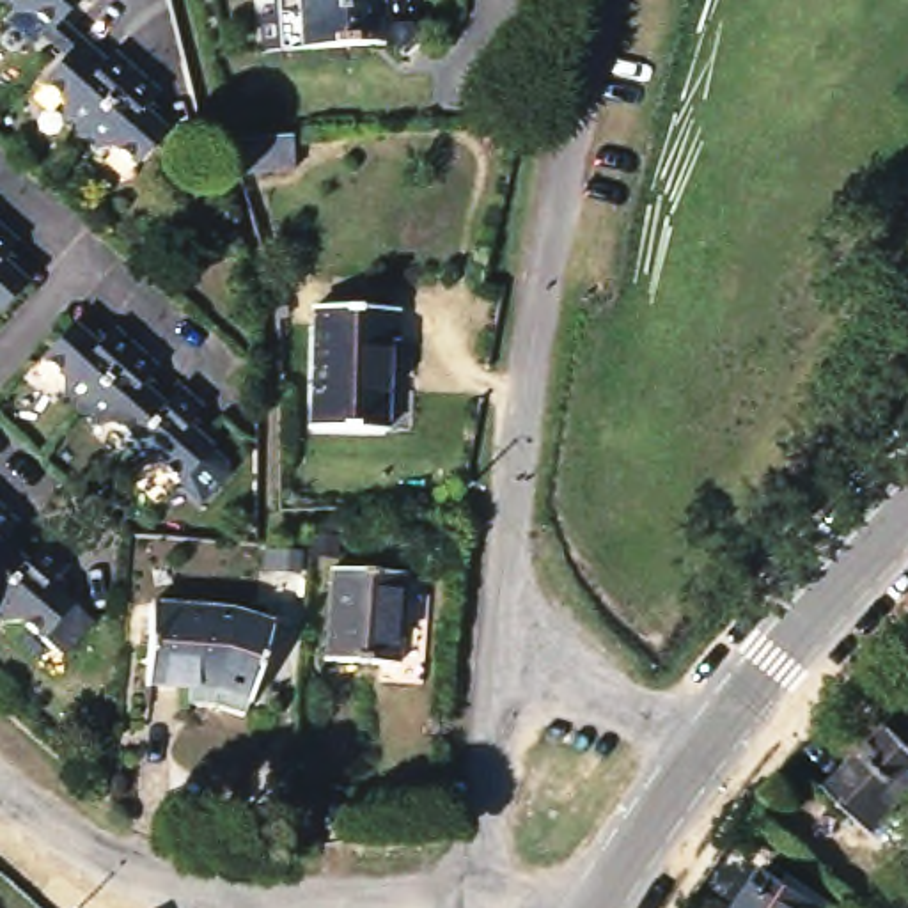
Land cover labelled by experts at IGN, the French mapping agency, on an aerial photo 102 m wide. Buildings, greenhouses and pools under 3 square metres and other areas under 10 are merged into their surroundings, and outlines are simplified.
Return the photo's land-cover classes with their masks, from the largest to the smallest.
<instances>
[{"label":"herbaceous vegetation","instance_id":"1","mask_svg":"<svg viewBox=\"0 0 908 908\"><path fill-rule=\"evenodd\" d=\"M7 0H0V82L18 78L32 92L50 57L46 50L25 46L7 32ZM206 4L213 0H174L202 124L220 128L234 142L238 163L255 167L259 163L284 131L312 145L348 131L355 149H348L341 160H330L312 177H301V184L262 192L266 213L280 220L294 216L301 206H312L319 213L323 248L312 277L323 280V287L330 291L326 298L394 305L415 301L422 287L411 277L415 255H468L472 262H489L493 227L482 223V209L468 199L475 160L461 145H454L450 170L440 181H429L422 188L404 184V153L429 149L436 135L433 128H301L298 106H436L429 74H394L380 64V53L372 46L284 53L280 39L259 43V50L231 60V71L238 74L220 85L206 39L209 28H220V18L206 14ZM670 64L663 74L642 82V99L631 103L638 121H646L653 131V153L660 156V167L638 160L628 181V199L614 202L610 209L617 241L607 287L599 291L592 284H571L564 291L557 337L550 351L543 443L560 436V472L553 497L557 518L564 525L571 557L578 560L582 575L599 592L607 610L649 646H663L670 638L674 624L681 621V585L692 575L706 571L709 560L706 550L692 546L685 536L688 504L699 497V486L716 482L720 489H727L734 500V518H745L748 511L766 507L763 479L770 468H791V458L809 447L819 426H837L844 419L841 401L809 397V380L837 344L841 326L830 312L819 309L816 294H805L798 287L795 248L802 231L812 227L816 213H823L837 195L841 202L873 206L876 220L883 223V238L901 255H908V0H670V28L660 43ZM415 46H422L429 57H443L454 43L447 39V28L440 21H422ZM135 192L138 209L160 213H177V206L153 177L149 163H138L128 184ZM245 248L231 245L227 255L213 262L199 284L213 305H220V291L241 266ZM32 369L18 365L0 390V433L21 454H28L50 482H57L46 504L35 511L39 521L74 514L78 493L74 482L64 479V472L67 465H85L99 443L96 436H92V429L85 426L78 397L64 390L32 426L18 415V408L35 397L28 383ZM408 411H415V426L404 433L312 436L301 461V479L316 489L433 486L436 500L461 497L465 482L458 479V472L475 433L472 394L419 390L415 401L404 404ZM259 454L252 450L245 458L206 511H195L188 504H167V525H181V536L138 532L135 571L142 578L135 582V603L156 607L160 592H167L181 599H227L255 607L259 596L270 589L259 578L262 553L270 546L266 543H213L216 528L209 525L227 511V504L234 497L255 493ZM532 568L543 596L557 599L582 624L596 628L592 610L582 603L571 575L560 564V553L553 550V539L546 536V525L532 518ZM0 674L11 677L21 702L50 706L57 720H64L82 692H99L103 699L124 706L131 646V617H103L82 638L78 649L64 653V674L32 677V667L0 656ZM380 741L372 734H362L351 720H333L319 727L291 724L245 731V716L206 713L192 706L188 688H181L177 713L163 724L167 755L188 770V780L177 791L188 798L192 812L223 809L262 812L280 819L287 826L291 851L309 855L305 876H404L433 869L450 851V844H358L341 841L333 834L326 837V823L337 809H365L380 791H440L447 802L461 809L465 823L479 830L482 816L500 812L514 795V780L507 755L497 745L468 738V713L450 716L433 720L429 685L422 681H376ZM0 755H7L28 780L50 791L64 787L57 748L43 741L21 716H0ZM596 830L585 819H578L564 802L557 805V819L536 812L532 819H521L514 826V851L525 865H560ZM777 826L798 837L809 848V858H773L770 865L784 883L780 908H908V809L887 816L880 830H897V844H887L880 851L858 848L848 855L816 826L809 812H777Z\"/></svg>","mask_w":908,"mask_h":908},{"label":"impervious surface","instance_id":"2","mask_svg":"<svg viewBox=\"0 0 908 908\"><path fill-rule=\"evenodd\" d=\"M82 11L92 21V35L121 43L135 39L156 60L174 67L181 89L174 99V128L202 124L174 0H82ZM514 14V0H475L472 25L454 43L443 57H429L422 46H415L401 50L387 46V39H376L372 46L380 53V64L394 74H429L436 106L443 110L458 106L468 67L493 39V32ZM599 149L596 131L585 124L568 145L536 156L528 167H521L507 227L514 326L504 344V362L497 369H504L514 383L511 436L504 443L493 440L489 394H472L475 433L458 472V479L465 482L461 497L465 514L475 525V543L465 571L450 716L468 713V738L497 745L507 755L514 780L528 791H536L546 780V763H525V752L546 724H553L560 734H568L571 724H582V738L596 755H614L617 741H624L638 755V770L631 784L621 791V802L599 819L596 830L560 865H525L514 851V826L500 812L482 816L479 830L472 841L450 844V851L433 869L404 876H305L298 883L252 887L181 876L170 858H160L149 844L156 809L142 802L138 819H128L103 795L74 802L64 787L50 791L28 780L7 755H0V908H681L713 862L748 869L770 865L773 858L770 851L713 848L709 830L724 805L745 791L748 780L777 773L787 784L791 798L809 805V812L816 826L848 855L858 848L880 851L887 844H897V830H880L862 826L858 819H830L823 802H812L823 784V770L798 752V745L809 738L823 677L837 674V660L855 656V624L873 631L880 617L890 614L894 599L908 614V486H890L887 500L865 511V521L844 536V550L819 564V582H809L791 596H766V617L759 624L752 617H731L724 621V631H716L695 649V663L685 670L681 681H674L670 688H649L624 674L628 653L617 642H607V635L596 628L582 624L557 599L543 596L532 568V518L539 482L536 465L543 443L550 351L557 337L564 291L582 202L592 195L585 177V156ZM0 195L32 223L35 245L50 259L46 284L35 291H11L7 309H0V390L18 365L32 369L28 383L35 397L18 408V415L32 426L64 390L60 365L43 362H28L32 344L53 330V323L71 301H103L114 312L138 316L156 337L170 344L177 372L202 376L216 387L220 408L238 404L245 358L220 333H184V298H167L156 284L135 280L128 270V252L114 227H85L82 216H74L28 177L14 174L0 156ZM284 415L270 408L266 415L270 479L266 497L255 493L234 497L227 504L245 511L248 525L259 528L262 543H266V518L284 521V514H294L298 507V497L284 489ZM92 436H96L99 443H106V447H114V450H124V447H128V436H131V433H128V426H121V422H99V426H92ZM0 479H7L35 511L46 504L57 482H50L28 454H21L0 433ZM170 482H177V472L160 465L149 468L138 479V500H160ZM121 553V532L114 528L96 539V550H85L78 557L89 578V599L103 607L106 585L99 582V564H110L117 575ZM131 646H145V663H156L160 649L156 607L135 603L131 617ZM429 635V624L422 617L411 631V649L401 660H383L372 653L323 656V663H337L344 674L376 681H422ZM301 646H294L287 660L270 653L266 677L252 706L270 702L284 681H298Z\"/></svg>","mask_w":908,"mask_h":908},{"label":"building","instance_id":"3","mask_svg":"<svg viewBox=\"0 0 908 908\"><path fill-rule=\"evenodd\" d=\"M7 32L25 46L46 50L50 57L32 92L28 103L43 135L74 131L89 138L92 156L114 167L117 177L128 184L138 163H149L156 149L153 142H163L174 128V99L181 89L174 67L156 60L135 39L121 43L92 35V21L82 11V0H7ZM259 43L280 39L284 53L372 46L376 39H387V46L401 50L415 46L422 21L415 18V0H255ZM312 145L284 131L259 163L262 170L287 174L298 160L309 156ZM50 259L35 245L32 223L0 195V309H7L11 291H35L46 284ZM305 422L312 436L404 433L415 426V411H408L404 404L415 401L419 390L411 383L422 362V319L415 312V301L394 305L326 298L319 301L316 319L301 326ZM43 362L60 365L64 390L78 397L85 426L92 429V426H99V422H121V426H128V433H131V436H128V447H124V450H135L149 468L160 465L177 472V482H170L160 500L167 504H188L195 511H206L245 458L238 454L234 440L216 426L220 408L216 387L202 376L177 372L170 344L156 337L138 316L114 312L103 301H85L82 319H74L67 337L57 348H50ZM103 617V607L89 599V578L78 557L60 543H50L39 521L35 511L7 479H0V656L32 667V677L64 674V653L78 649L82 638ZM323 592H309L305 575L291 568V550L270 546L262 553L259 578L270 589L259 596L255 607L227 599H181L167 592H160L156 607L160 649L156 663H145V688H156L153 713L163 724L177 713L181 688H188L192 706L206 713L245 716L252 706L266 677L270 653L287 660L294 646L301 628L323 624V656L372 653L383 660H401L411 649V631L422 617V599L433 596V585H426L408 564L369 568L326 557L319 560ZM798 752L823 770V784L812 802H823L830 819H858L862 826L880 830L887 816L908 809V713H894L887 727H873L862 741L848 748L844 759L830 755L809 738L798 745ZM784 883L770 865L748 869L713 862L681 908H780Z\"/></svg>","mask_w":908,"mask_h":908},{"label":"brushwood","instance_id":"4","mask_svg":"<svg viewBox=\"0 0 908 908\"><path fill-rule=\"evenodd\" d=\"M206 14L220 18V28H209L206 39L220 85L238 74L231 71V60L259 50V43L255 0H213L206 4ZM475 0H415V18L422 21H440L447 28V39L454 43L472 25ZM32 92L18 78L0 82V156L14 174L28 177L74 216H82L85 227H114L128 252L138 241H145L149 223L160 213L138 209L135 192L128 184L117 177L114 167L92 156L89 138L74 131L43 135L28 103ZM301 128H408V121L443 117V110L436 106H298ZM454 145V138L436 135L429 149L404 153V184L422 188L429 181H440L450 170ZM521 167L511 160L507 167V174L493 181V202L482 209V223L493 227L489 262H472L468 255H415L411 277L422 287L465 284L475 298L489 305L486 326L475 337V358L497 369L504 362V344L514 326L507 227ZM209 202L223 220L248 223L252 241L259 245L245 248L241 266L220 291V305H213L199 284L184 298V333H220L245 358L238 404L220 408L216 426L234 440L238 454L245 458L252 450L259 454L255 493L266 497L270 479L266 415L270 408L284 415V489L298 497V507L294 514H284V521L266 518V543L270 546L291 550V568L305 575L309 592H323L319 560L326 557L369 568L408 564L426 585H447V607L440 628L429 635L422 681L429 685L433 720L450 716L465 571L475 543V525L465 514L461 497L436 500L433 486L316 489L301 479V461L312 436L305 422L301 326L277 323L273 316L280 305H298L301 284L312 277L323 248L319 213L312 206H301L294 216L280 220L266 213L262 192L255 184V167L238 163V184ZM85 301H71L53 323V330L32 344L28 362H43L50 348H57L67 337L74 319H82ZM539 482L532 518L546 525V536L553 539V550L560 553V564L571 575L582 603L592 610L596 628L607 635V642H617L628 653L624 674L649 688H670L674 681H681L685 670L695 663V649L716 631L709 621L681 610V621L674 624L670 638L663 646H649L607 610L599 592L582 575L578 560L571 557L564 525L557 518L553 497L560 472V436L543 443L536 465ZM149 468L135 450H114V447H106V443H99L85 465H67L64 472V479L74 482L78 493L99 497L106 504V518L114 528L121 532V553L117 575L110 564H99V582L106 585L103 607V617H131L135 603V582L142 578L135 571L138 532L181 536V525H167V504L160 500H138V479ZM216 528L213 543H262L259 528L248 525L245 511L227 504V511L209 525ZM323 624L301 628L294 646H301L298 681H284L270 702L252 706L245 716V731L291 724L319 727L333 720H351L362 734H372L380 741L376 681L344 674L337 663H323ZM156 688H145V646H131L124 706L103 699L99 692H82L64 720H57L50 706L21 702L11 677L0 674V716H21L43 741L57 748L64 787L74 802L103 795L128 819H138L142 802V763L167 755L163 724L153 713ZM777 812H809V805L791 798L787 784L777 773L748 780L745 791L724 805L709 830L713 848L770 851L773 858H809V848L798 837L777 826Z\"/></svg>","mask_w":908,"mask_h":908},{"label":"deciduous trees","instance_id":"5","mask_svg":"<svg viewBox=\"0 0 908 908\"><path fill-rule=\"evenodd\" d=\"M596 11V0H514V14L493 32V39L468 67L458 106L443 110V117L408 121V128H433L436 135L454 138V131H472L486 138L489 160H500L507 167L511 160L521 167H528L536 156L568 145L585 124L575 103L582 85L578 74L585 46L592 39L589 18ZM156 149L149 163L153 177L177 206V213H160L149 223L145 241H138L128 252V270L135 280L156 284L167 298H184L199 284L213 262L227 255L231 245L245 248L259 245L252 241L248 223L223 220L209 202L238 184V163L234 142L220 128L202 124L174 128L163 142H153ZM798 287L805 294H816L819 309L830 312L841 326L837 344L809 380V397L841 401L844 419L837 426H819L809 447L791 458V468H770L763 479L766 507L748 511L745 518H734V500L727 489H720L716 482L699 486V497L688 504L685 536L692 546L706 550L709 560L706 571L692 575L681 585V610L709 621L716 631H724V621L731 617H752L759 624L766 617V596H791L809 582H819V564L844 550V536L865 521V511L887 500L890 486H908V255H901L883 238V223L876 220L873 206L841 202L837 195L823 213H816L812 227L802 231L795 248ZM50 543H60L78 557L85 550H96V539L114 528L106 518V504L99 497L78 493L74 514L39 521ZM855 656L837 660V674L823 677L809 738L830 755L844 759L848 748L862 741L873 727H887L894 713H908V614L894 599L890 614L880 617L873 631L855 624ZM149 844L160 858H170L181 876L252 887L298 883L305 876L309 855L291 851L287 826L280 819L262 812L223 809L192 812L188 798L177 791H170L156 809ZM333 834L341 841L358 844H450L472 841L479 830L465 823L461 809L447 802L440 791H380L365 809H337L326 823V837Z\"/></svg>","mask_w":908,"mask_h":908},{"label":"pervious surface","instance_id":"6","mask_svg":"<svg viewBox=\"0 0 908 908\"><path fill-rule=\"evenodd\" d=\"M592 39L585 46L578 74L582 85L575 103L585 124L596 131L599 149L585 156V177L592 195L582 202L564 291L571 284H592L599 291L607 287L617 241L610 209L614 202L628 199V181L638 160L660 167V156L653 153V131L646 121H638L631 103L642 99V82L663 74L670 64L660 43L670 28V0H596V11L589 18ZM348 149H355L348 131L312 145L309 156L298 160L287 174L262 170L259 163L255 167V184L262 192L301 184V177H312L330 160H341ZM454 145H461L475 160L468 199L482 209L493 202V181L507 174V167L500 160H489L486 138L472 131H454ZM330 291L323 287V280L312 277L301 284L298 305H280L273 316L277 323L301 326L316 319L319 301L326 298ZM415 312L422 319V362L411 383L419 390L472 394H489L493 440L504 443L511 436L514 383L504 369H497L475 358V337L486 326L489 305L475 298L465 284L422 287L415 301ZM447 607V585H433V596L422 599V617L429 624V635L440 628ZM525 763H546V780L536 791H528L514 780V795L500 812L514 826L521 819H532L536 812L557 819V805L564 802L578 819H585L596 830L599 819L621 802V791L631 784L638 770V755L624 741H617L614 755H596L582 738V724H571L568 734H560L553 724H546L525 752ZM188 780V770L167 755L142 763V802L156 809L170 791H177Z\"/></svg>","mask_w":908,"mask_h":908}]
</instances>
